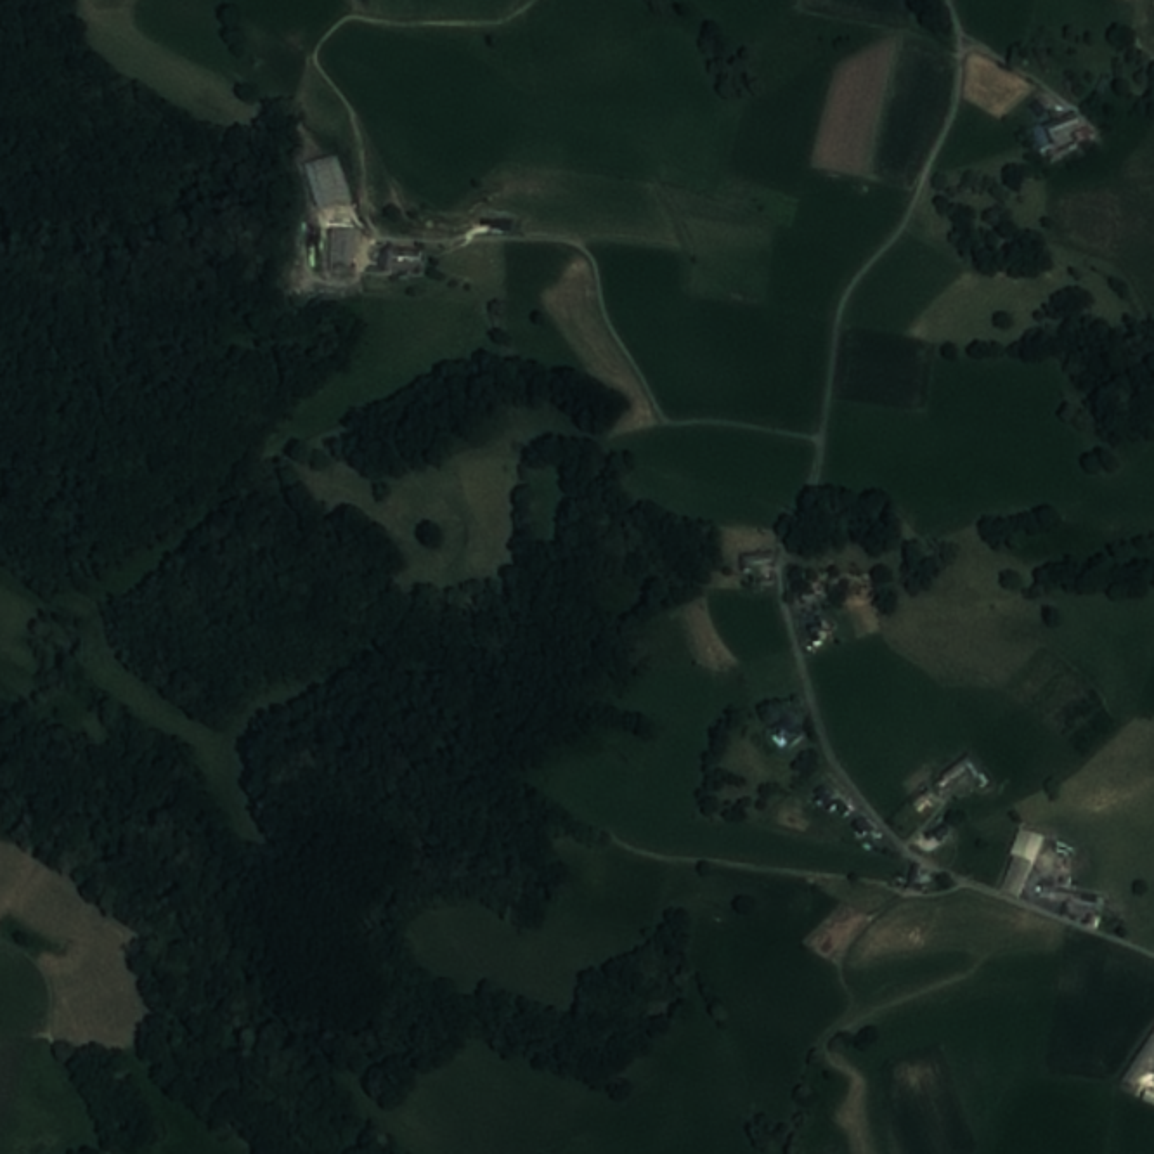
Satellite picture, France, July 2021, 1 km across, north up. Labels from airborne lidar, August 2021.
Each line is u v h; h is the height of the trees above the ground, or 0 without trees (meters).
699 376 0
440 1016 24
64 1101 0
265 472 23
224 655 19
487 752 24
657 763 0
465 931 0
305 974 31
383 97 0
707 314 0
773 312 0
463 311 0
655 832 0
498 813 17
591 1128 0
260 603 21
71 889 0
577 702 28
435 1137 0
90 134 20
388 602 22
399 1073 28
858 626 0
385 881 28
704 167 0
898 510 19
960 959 0
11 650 0
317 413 0
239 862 34
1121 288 14
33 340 16
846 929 0
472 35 0
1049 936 0
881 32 0
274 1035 31
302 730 25
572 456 19
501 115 0
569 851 0
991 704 0
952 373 0
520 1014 15
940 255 0
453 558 0
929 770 0
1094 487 0
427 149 0
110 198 18
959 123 0
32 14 24
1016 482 0
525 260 0
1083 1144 0
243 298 25
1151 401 28
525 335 0
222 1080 24
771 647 0
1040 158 11
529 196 0
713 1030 0
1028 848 0
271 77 0
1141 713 0
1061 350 24
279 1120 24
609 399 26
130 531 28
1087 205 0
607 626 23
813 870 0
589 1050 24
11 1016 0
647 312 0
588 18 0
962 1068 0
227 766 0
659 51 0
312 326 25
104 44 0
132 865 21
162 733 14
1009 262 21
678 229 0
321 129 0
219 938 22
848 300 0
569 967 0
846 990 0
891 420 0
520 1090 0
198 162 21
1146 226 0
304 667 21
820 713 0
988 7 0
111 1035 0
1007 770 0
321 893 28
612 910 0
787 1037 0
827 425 0
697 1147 0
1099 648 0
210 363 17
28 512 25
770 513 0
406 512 0
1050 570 19
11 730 24
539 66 0
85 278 20
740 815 10
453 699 25
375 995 31
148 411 21
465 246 0
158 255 25
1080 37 9
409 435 24
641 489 0
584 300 0
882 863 0
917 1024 0
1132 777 0
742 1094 0
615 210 0
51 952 0
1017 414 0
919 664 0
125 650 18
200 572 27
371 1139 24
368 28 0
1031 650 0
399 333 0
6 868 0
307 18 0
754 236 0
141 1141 27
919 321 0
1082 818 0
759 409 0
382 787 20
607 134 0
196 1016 26
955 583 0
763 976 0
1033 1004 0
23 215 24
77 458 26
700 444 0
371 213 0
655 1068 0
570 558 20
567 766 0
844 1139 0
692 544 21
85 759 24
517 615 20
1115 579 27
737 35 0
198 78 0
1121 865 0
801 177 0
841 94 0
